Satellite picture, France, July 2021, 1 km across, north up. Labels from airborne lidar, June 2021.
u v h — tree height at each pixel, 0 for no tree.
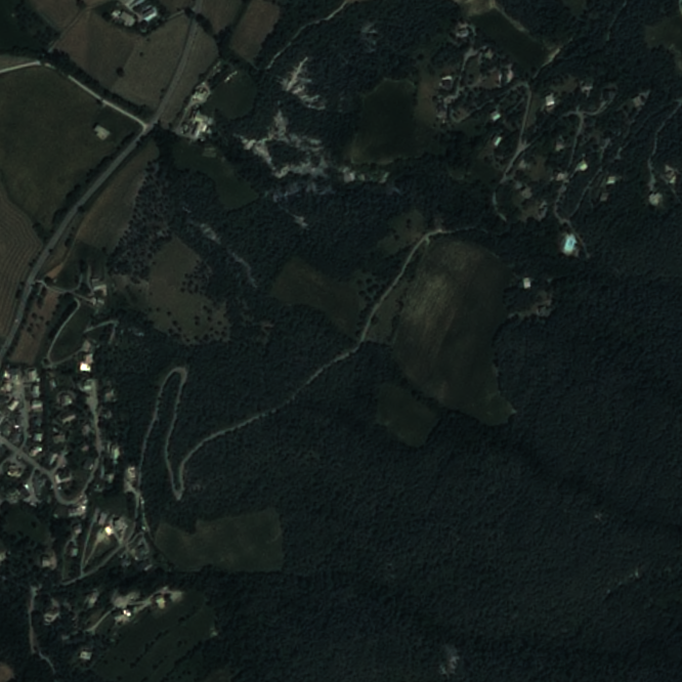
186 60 0
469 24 6
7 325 0
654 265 8
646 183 6
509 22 0
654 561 8
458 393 0
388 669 7
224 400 9
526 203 6
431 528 8
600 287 7
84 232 0
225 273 6
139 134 0
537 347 12
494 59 8
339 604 7
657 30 0
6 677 0
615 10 9
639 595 8
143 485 8
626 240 7
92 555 0
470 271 0
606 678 10
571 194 7
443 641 7
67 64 24
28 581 9
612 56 16
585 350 15
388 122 0
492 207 9
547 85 9
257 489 9
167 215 8
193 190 7
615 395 11
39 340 0
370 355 10
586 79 8
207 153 0
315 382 7
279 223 7
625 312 9
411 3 7
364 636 8
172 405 7
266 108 7
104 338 6
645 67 11
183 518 8
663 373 7
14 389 0
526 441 8
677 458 6
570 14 14
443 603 11
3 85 0
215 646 13
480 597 9
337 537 9
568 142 9
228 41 17
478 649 13
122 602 0
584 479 14
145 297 0
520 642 10
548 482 10
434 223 11
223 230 10
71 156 0
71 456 9
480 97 6
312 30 8
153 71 0
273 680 11
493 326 0
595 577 7
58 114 0
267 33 0
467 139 9
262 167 11
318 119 7
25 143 0
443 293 0
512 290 10
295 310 11
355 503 9
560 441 8
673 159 7
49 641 9
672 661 14
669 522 12
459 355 0
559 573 6
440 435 11
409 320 0
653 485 8
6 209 0
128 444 10
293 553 9
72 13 0
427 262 0
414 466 10
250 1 9
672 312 8
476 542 8
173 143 16
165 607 0
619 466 10
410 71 9
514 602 7
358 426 13
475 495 8
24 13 6
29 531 0
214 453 7
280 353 9
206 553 0
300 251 12
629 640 11
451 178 6
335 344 7
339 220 10
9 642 11
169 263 0
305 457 6
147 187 6
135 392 6
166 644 0
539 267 16
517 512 6
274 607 8
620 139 9
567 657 21
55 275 0
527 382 8
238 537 0
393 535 10
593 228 10
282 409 8
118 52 0
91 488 6
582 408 10
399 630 17
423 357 0
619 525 8
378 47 8
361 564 8
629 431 9
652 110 10
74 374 8
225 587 17
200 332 0
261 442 9
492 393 0
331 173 8
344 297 0
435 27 11
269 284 7
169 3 0
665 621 13
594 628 6
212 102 0
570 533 8
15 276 0
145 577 13
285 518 8
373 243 12
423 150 0
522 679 13
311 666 9
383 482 10
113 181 0
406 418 0
